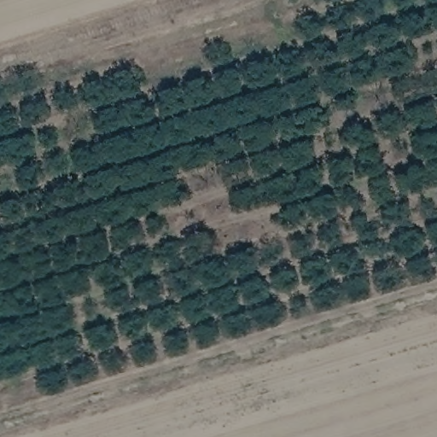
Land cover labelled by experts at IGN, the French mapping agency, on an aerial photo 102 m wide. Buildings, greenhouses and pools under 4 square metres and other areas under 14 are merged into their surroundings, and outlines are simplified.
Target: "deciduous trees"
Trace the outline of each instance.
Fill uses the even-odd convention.
[[[309,15],[295,15],[295,29],[302,34],[304,41],[324,36],[323,27],[333,27],[338,31],[357,26],[355,17],[362,17],[365,24],[369,20],[386,15],[386,3],[393,2],[396,10],[415,7],[413,0],[364,0],[358,3],[357,9],[353,12],[338,9],[335,14],[328,15],[323,26],[311,22]]]
[[[379,292],[391,292],[394,288],[401,287],[405,280],[399,266],[387,266],[386,270],[374,273],[374,282]]]
[[[435,271],[428,263],[427,256],[415,263],[406,261],[406,268],[411,271],[413,277],[423,277],[428,282],[435,277]]]
[[[178,171],[181,169],[189,171],[205,166],[208,160],[215,162],[222,183],[229,189],[232,184],[241,183],[246,179],[254,181],[266,178],[271,172],[285,169],[282,178],[275,179],[273,183],[261,184],[253,189],[242,189],[237,193],[229,191],[229,203],[232,212],[278,205],[280,210],[277,212],[275,224],[282,225],[283,229],[288,225],[299,224],[304,215],[323,215],[326,222],[319,225],[318,230],[312,230],[312,225],[307,224],[300,241],[290,241],[290,251],[299,259],[314,251],[312,241],[326,241],[328,248],[343,244],[338,229],[336,208],[352,207],[352,212],[362,210],[364,198],[352,184],[353,179],[362,176],[369,179],[367,184],[370,196],[376,201],[381,213],[374,220],[367,220],[364,213],[362,217],[352,220],[352,227],[357,232],[358,239],[376,239],[377,230],[387,229],[391,222],[396,222],[396,225],[410,225],[411,213],[422,213],[423,220],[437,217],[437,208],[432,198],[427,196],[418,198],[417,207],[408,205],[406,196],[394,200],[393,189],[389,188],[387,179],[389,171],[386,169],[384,154],[379,150],[374,133],[364,130],[362,126],[353,125],[345,135],[340,135],[341,142],[357,145],[357,154],[348,155],[348,159],[324,162],[323,166],[316,169],[311,164],[311,160],[316,157],[314,142],[295,143],[282,152],[256,155],[234,164],[229,162],[229,159],[239,152],[246,154],[253,150],[265,149],[271,142],[275,142],[275,133],[282,133],[282,140],[302,135],[314,137],[319,126],[329,125],[331,114],[355,104],[360,85],[370,84],[377,79],[389,79],[393,99],[389,102],[399,109],[401,114],[382,116],[377,125],[382,131],[382,137],[393,143],[399,138],[399,131],[405,130],[408,123],[413,123],[415,128],[430,128],[437,123],[437,70],[423,70],[420,75],[413,75],[417,48],[411,41],[401,41],[399,34],[418,38],[430,31],[437,31],[437,9],[425,10],[422,17],[410,15],[403,20],[401,27],[382,24],[360,36],[345,34],[343,41],[333,39],[333,43],[338,46],[336,51],[328,50],[328,43],[331,41],[328,38],[323,44],[318,44],[314,50],[307,51],[304,55],[299,51],[290,51],[273,56],[270,63],[254,61],[241,72],[227,70],[222,73],[220,79],[196,79],[191,80],[184,89],[174,87],[162,90],[160,101],[154,108],[143,106],[143,102],[138,101],[128,104],[121,111],[108,109],[99,116],[99,119],[92,121],[94,135],[102,135],[123,126],[147,123],[155,116],[169,116],[183,109],[186,109],[186,116],[183,119],[160,123],[159,130],[152,126],[147,130],[135,131],[130,138],[116,137],[113,140],[106,140],[92,147],[90,152],[82,149],[61,149],[60,155],[55,159],[46,159],[44,155],[39,157],[36,166],[27,167],[24,162],[29,155],[36,155],[34,142],[41,142],[44,152],[50,152],[58,147],[55,126],[31,130],[32,125],[38,123],[39,119],[50,116],[46,99],[39,104],[29,104],[26,108],[14,106],[15,113],[0,114],[0,166],[10,164],[15,167],[19,191],[36,188],[39,176],[48,172],[53,178],[60,178],[67,172],[77,174],[75,183],[65,184],[63,188],[51,191],[48,200],[41,207],[38,207],[41,193],[34,193],[31,196],[24,196],[22,200],[5,201],[0,213],[0,225],[24,222],[27,217],[43,217],[55,208],[72,207],[75,203],[94,200],[99,196],[113,193],[116,188],[137,188],[149,183],[155,183],[157,186],[145,193],[121,196],[118,200],[102,203],[97,207],[68,213],[67,217],[53,218],[41,225],[29,224],[26,229],[14,230],[0,236],[0,379],[19,376],[29,367],[34,367],[38,372],[39,369],[61,364],[60,372],[39,377],[36,381],[36,386],[44,394],[56,394],[61,393],[65,387],[80,386],[97,379],[97,369],[92,362],[80,364],[72,370],[68,369],[67,365],[73,358],[82,357],[85,350],[77,345],[73,304],[67,304],[67,300],[89,290],[89,277],[96,278],[96,282],[104,290],[102,300],[90,297],[84,300],[85,321],[94,321],[99,316],[96,307],[108,306],[118,314],[137,311],[140,302],[149,307],[150,304],[160,302],[160,292],[169,290],[178,292],[179,297],[183,297],[198,288],[208,290],[224,285],[229,280],[237,282],[237,278],[259,271],[261,266],[268,266],[271,270],[271,266],[285,259],[282,254],[282,242],[278,237],[271,237],[259,239],[263,248],[254,248],[253,256],[246,256],[244,253],[232,254],[230,261],[225,261],[222,265],[207,263],[196,266],[196,259],[217,254],[217,234],[208,237],[203,232],[196,232],[183,244],[169,242],[160,249],[159,258],[140,258],[138,254],[126,256],[119,268],[108,265],[106,237],[102,239],[101,236],[94,236],[84,241],[77,237],[73,246],[60,251],[58,241],[65,241],[68,236],[89,232],[96,229],[97,225],[102,229],[106,225],[113,227],[128,218],[138,218],[140,222],[142,215],[147,218],[149,234],[155,234],[167,222],[164,215],[157,213],[160,208],[176,207],[181,201],[188,200],[183,191],[179,191],[179,186],[184,183],[183,179],[178,179]],[[241,97],[200,113],[193,113],[191,109],[200,104],[207,104],[215,97],[236,94],[242,87],[261,87],[271,84],[273,80],[294,77],[304,70],[309,73],[306,80],[282,89],[268,90],[256,99]],[[326,104],[319,104],[318,109],[311,109],[292,118],[280,119],[273,125],[253,126],[246,133],[237,133],[237,140],[230,140],[229,137],[218,138],[213,145],[184,147],[162,155],[159,159],[150,160],[149,164],[133,164],[119,171],[104,171],[92,178],[82,178],[85,171],[106,162],[121,162],[131,157],[152,154],[167,145],[191,142],[196,137],[210,137],[217,131],[248,123],[258,116],[271,116],[282,113],[285,109],[318,102],[319,94],[328,94],[333,99]],[[128,297],[128,288],[123,280],[126,277],[135,280],[140,275],[152,273],[155,259],[159,263],[169,261],[169,268],[157,273],[157,282],[147,282],[135,287],[133,297]],[[50,282],[41,283],[38,287],[20,288],[19,283],[22,280],[44,277],[50,271],[68,270],[73,265],[84,265],[84,271],[80,273],[56,277]]]
[[[138,225],[137,229],[111,229],[114,248],[125,251],[131,246],[131,237],[140,236],[142,232]]]
[[[312,304],[319,312],[369,297],[364,259],[358,258],[357,253],[341,253],[329,259],[319,258],[318,261],[311,261],[306,265],[300,263],[302,280],[311,288]]]
[[[210,50],[203,48],[203,55],[212,63],[213,68],[236,60],[230,50],[229,41],[224,39],[222,44],[212,46]]]
[[[430,239],[434,242],[434,248],[437,248],[437,224],[422,225],[423,234],[413,230],[401,234],[398,239],[389,237],[387,241],[379,241],[382,251],[394,251],[406,259],[420,253],[422,249],[427,249],[423,246],[423,239]]]
[[[183,306],[179,306],[179,311],[167,307],[152,312],[145,318],[119,321],[119,328],[131,341],[130,348],[135,364],[155,362],[154,340],[147,333],[145,326],[154,326],[162,331],[167,355],[178,357],[186,353],[189,341],[196,340],[198,347],[207,348],[217,341],[217,336],[239,338],[251,331],[271,328],[282,323],[285,318],[285,306],[280,299],[273,306],[244,312],[236,318],[224,319],[222,314],[236,311],[237,307],[241,306],[237,302],[239,295],[244,295],[242,306],[251,306],[254,302],[268,299],[271,295],[270,288],[280,288],[285,292],[287,288],[294,287],[297,285],[297,277],[294,268],[290,271],[280,271],[275,277],[266,278],[265,282],[256,280],[244,283],[242,287],[227,288],[224,292],[210,297],[188,300]],[[189,326],[183,328],[181,335],[167,336],[169,329],[179,326],[178,316],[184,316],[189,324],[205,318],[213,318],[213,323],[210,328],[203,326],[200,329],[193,329]]]
[[[396,176],[398,188],[403,186],[410,193],[417,193],[418,189],[430,186],[437,188],[437,133],[422,137],[410,135],[413,147],[411,155],[422,160],[422,167],[410,167],[405,174]]]
[[[56,108],[60,111],[72,109],[77,104],[89,102],[90,108],[96,109],[102,104],[142,94],[140,85],[145,84],[145,73],[142,77],[137,77],[131,70],[125,70],[114,73],[113,77],[109,77],[101,84],[90,82],[85,90],[79,92],[53,92]]]
[[[90,347],[101,352],[99,358],[109,376],[118,374],[125,369],[126,355],[119,347],[111,348],[111,343],[118,341],[114,335],[114,328],[108,331],[104,326],[99,326],[85,329],[85,336]]]
[[[12,101],[12,96],[17,92],[24,92],[24,96],[34,96],[36,92],[41,92],[44,90],[44,77],[38,67],[34,67],[22,75],[7,75],[5,79],[0,77],[0,106]]]

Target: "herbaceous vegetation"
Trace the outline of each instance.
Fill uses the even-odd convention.
[[[167,336],[181,335],[183,328],[189,326],[193,329],[200,329],[203,326],[210,328],[213,323],[213,318],[205,318],[189,324],[184,316],[178,316],[179,326],[169,329]]]
[[[294,77],[273,80],[271,84],[261,87],[242,87],[236,94],[215,97],[207,104],[200,104],[191,109],[193,113],[200,113],[241,97],[256,99],[268,90],[282,89],[306,80],[309,73],[304,70]]]
[[[92,121],[99,119],[99,116],[108,109],[121,111],[128,104],[138,101],[143,102],[143,106],[154,108],[160,101],[162,90],[174,87],[184,89],[191,80],[196,79],[220,79],[222,73],[227,70],[241,72],[254,61],[270,63],[273,56],[290,51],[299,51],[304,55],[307,51],[314,50],[318,44],[323,44],[328,38],[331,41],[328,43],[328,50],[336,51],[338,46],[333,43],[333,39],[343,41],[345,34],[360,36],[382,24],[401,27],[403,20],[410,15],[422,17],[425,10],[437,9],[437,0],[413,0],[415,7],[396,10],[393,2],[386,3],[386,15],[369,20],[365,24],[362,17],[355,17],[357,26],[338,31],[333,27],[323,27],[324,36],[304,41],[302,34],[295,29],[295,15],[309,15],[311,22],[323,26],[328,15],[335,14],[338,9],[353,12],[357,9],[358,3],[364,0],[135,0],[121,7],[101,10],[80,19],[70,20],[63,26],[46,27],[27,32],[17,38],[0,41],[0,77],[5,79],[7,75],[22,75],[34,67],[38,67],[44,77],[44,90],[41,92],[36,92],[34,96],[24,96],[24,92],[17,92],[12,96],[12,101],[0,106],[0,114],[15,113],[14,106],[26,108],[29,104],[39,104],[46,99],[50,116],[39,119],[38,123],[32,125],[31,130],[55,126],[58,147],[50,152],[44,152],[41,142],[34,142],[36,155],[29,155],[24,162],[27,167],[36,166],[39,157],[44,155],[46,159],[55,159],[60,155],[61,149],[82,149],[90,152],[92,147],[106,140],[113,140],[116,137],[130,138],[135,131],[147,130],[152,126],[159,130],[160,123],[183,119],[186,116],[186,109],[183,109],[169,116],[155,116],[147,123],[123,126],[102,135],[94,135]],[[224,39],[229,41],[230,50],[236,60],[213,68],[212,63],[203,55],[203,48],[210,50],[212,46],[222,44]],[[114,73],[125,70],[131,70],[137,77],[142,77],[145,73],[145,84],[140,85],[142,94],[102,104],[96,109],[90,108],[89,102],[77,104],[72,109],[60,111],[56,108],[53,92],[79,92],[85,90],[90,82],[101,84],[109,77],[113,77]]]
[[[31,196],[34,193],[41,193],[38,207],[41,207],[48,200],[51,191],[63,188],[65,184],[75,183],[77,174],[67,172],[60,178],[53,178],[48,172],[39,176],[36,188],[19,191],[15,167],[10,164],[0,166],[0,213],[5,201],[22,200],[24,196]]]
[[[80,273],[84,271],[84,265],[73,265],[68,270],[50,271],[44,277],[22,280],[19,283],[20,288],[38,287],[41,283],[50,282],[56,277]]]
[[[411,41],[417,48],[413,75],[420,75],[423,70],[437,70],[437,31],[430,31],[418,38],[399,34],[401,41]]]
[[[230,140],[237,140],[237,133],[246,133],[253,126],[273,125],[280,119],[292,118],[311,109],[318,109],[319,104],[326,104],[333,99],[328,94],[319,94],[318,102],[285,109],[282,113],[271,116],[258,116],[248,123],[217,131],[210,137],[196,137],[191,142],[167,145],[152,154],[131,157],[121,162],[106,162],[85,171],[82,178],[92,178],[104,171],[119,171],[133,164],[149,164],[150,160],[159,159],[162,155],[184,147],[213,145],[218,138],[229,137]]]
[[[377,125],[382,116],[401,114],[399,109],[389,102],[393,99],[389,79],[377,79],[370,84],[360,85],[355,104],[331,114],[329,125],[319,126],[314,137],[302,135],[282,140],[282,133],[275,133],[275,142],[271,142],[265,149],[253,150],[246,154],[239,152],[229,159],[229,162],[234,164],[256,155],[282,152],[295,143],[314,142],[316,157],[311,160],[311,164],[316,169],[323,166],[324,162],[348,159],[348,155],[357,154],[357,145],[341,142],[340,135],[345,135],[353,125],[362,126],[364,130],[374,133],[379,150],[384,154],[386,169],[389,171],[387,179],[389,188],[393,189],[394,200],[406,196],[408,205],[417,207],[418,198],[427,196],[432,198],[437,208],[437,188],[430,186],[418,189],[417,193],[410,193],[403,186],[398,188],[396,176],[405,174],[410,167],[422,167],[422,160],[411,155],[413,147],[410,135],[422,137],[437,133],[437,123],[430,128],[415,128],[413,123],[408,123],[405,130],[399,131],[399,138],[393,143],[382,137],[382,131]]]
[[[123,280],[128,288],[128,297],[133,297],[135,287],[147,282],[157,282],[157,273],[169,268],[169,261],[159,263],[155,259],[152,273],[140,275],[135,280],[126,277]]]
[[[145,193],[157,186],[155,183],[149,183],[137,188],[116,188],[113,193],[99,196],[94,200],[75,203],[72,207],[55,208],[43,217],[27,217],[24,222],[0,225],[0,236],[14,230],[26,229],[29,224],[41,225],[53,218],[67,217],[68,213],[97,207],[102,203],[118,200],[121,196]]]
[[[352,212],[352,207],[336,208],[338,229],[343,244],[328,248],[326,241],[312,241],[314,251],[299,259],[290,251],[290,241],[300,241],[307,224],[312,225],[312,230],[318,230],[319,225],[326,222],[323,215],[304,215],[299,224],[288,225],[283,229],[282,225],[275,224],[277,212],[280,210],[278,205],[232,212],[229,203],[229,191],[237,193],[242,189],[253,189],[261,184],[273,183],[275,179],[282,178],[285,169],[271,172],[266,178],[254,181],[246,179],[241,183],[232,184],[229,189],[222,183],[215,162],[208,160],[205,166],[189,171],[181,169],[178,171],[178,179],[183,179],[184,183],[179,186],[179,191],[183,191],[188,200],[181,201],[176,207],[160,208],[157,213],[164,215],[167,222],[155,234],[149,234],[147,218],[142,215],[140,222],[138,218],[128,218],[113,227],[106,225],[102,229],[97,225],[96,229],[89,232],[68,236],[65,241],[58,241],[60,251],[73,246],[77,237],[84,241],[94,236],[101,236],[102,239],[106,237],[108,265],[119,268],[126,256],[138,254],[140,258],[159,258],[160,249],[169,242],[183,244],[196,232],[203,232],[208,237],[217,234],[217,254],[196,259],[196,266],[207,263],[222,265],[225,261],[230,261],[232,254],[244,253],[246,256],[253,256],[254,248],[263,248],[259,239],[271,237],[278,237],[282,242],[282,254],[285,259],[271,266],[271,270],[268,266],[261,266],[259,271],[237,278],[237,282],[229,280],[224,285],[208,290],[198,288],[183,297],[179,297],[178,292],[169,290],[160,292],[160,302],[150,304],[149,307],[140,302],[137,311],[118,314],[108,306],[96,307],[99,316],[94,321],[85,321],[84,300],[90,297],[102,300],[104,290],[96,282],[96,278],[89,277],[89,290],[67,300],[67,304],[73,304],[77,345],[85,350],[82,357],[73,358],[67,365],[68,369],[72,370],[80,364],[92,362],[97,369],[97,379],[80,386],[65,387],[61,393],[56,394],[44,394],[36,386],[36,381],[39,377],[60,372],[61,364],[39,369],[38,372],[34,367],[29,367],[19,376],[0,379],[0,437],[15,437],[31,434],[36,428],[46,430],[50,425],[61,425],[70,420],[77,420],[80,415],[94,417],[114,408],[133,405],[142,399],[150,398],[152,394],[162,396],[169,391],[191,386],[195,382],[208,381],[236,370],[248,370],[253,365],[280,362],[283,358],[292,357],[297,353],[326,348],[365,333],[376,333],[382,328],[396,328],[401,324],[410,323],[413,319],[422,318],[425,312],[437,314],[437,248],[434,248],[434,242],[430,239],[423,239],[423,246],[427,249],[422,249],[420,253],[406,259],[394,251],[382,251],[379,241],[387,241],[389,237],[398,239],[401,234],[413,230],[423,234],[422,225],[437,224],[437,217],[423,220],[422,213],[411,213],[410,225],[396,225],[396,222],[391,222],[387,229],[377,230],[376,239],[358,239],[357,232],[352,227],[352,220],[362,217],[364,213],[367,220],[374,220],[381,213],[376,201],[370,196],[367,184],[369,179],[362,176],[353,179],[352,184],[364,198],[362,210]],[[111,229],[137,229],[138,225],[142,232],[140,236],[131,237],[131,246],[125,251],[114,248]],[[318,261],[319,258],[329,259],[341,253],[357,253],[358,258],[364,259],[369,297],[319,312],[312,304],[311,288],[302,280],[300,263],[306,265],[311,261]],[[406,268],[406,261],[415,263],[427,256],[428,263],[435,271],[435,277],[428,282],[423,277],[413,277],[411,271]],[[401,287],[394,288],[391,292],[379,292],[374,282],[374,273],[386,270],[387,266],[399,266],[405,280]],[[273,306],[280,299],[285,306],[285,318],[282,323],[271,328],[251,331],[239,338],[217,336],[217,341],[207,348],[198,347],[196,340],[189,341],[186,353],[178,357],[167,355],[162,331],[154,326],[145,326],[147,333],[154,340],[155,362],[135,364],[130,348],[131,341],[119,328],[119,321],[145,318],[152,312],[167,307],[179,311],[179,306],[183,306],[188,300],[210,297],[224,292],[227,288],[242,287],[244,283],[256,280],[265,282],[266,278],[275,277],[280,271],[290,271],[294,268],[297,277],[297,285],[294,287],[287,288],[285,292],[280,288],[270,288],[271,295],[268,299],[254,302],[251,306],[242,306],[244,295],[239,295],[237,302],[241,306],[237,307],[236,311],[222,314],[224,319],[236,318],[244,312]],[[109,376],[99,358],[101,352],[90,347],[85,336],[85,329],[99,326],[104,326],[108,331],[114,328],[114,335],[118,341],[111,343],[111,348],[119,347],[126,355],[125,369],[118,374]]]

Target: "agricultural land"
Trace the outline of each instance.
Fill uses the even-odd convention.
[[[70,20],[80,19],[101,10],[121,7],[135,0],[0,0],[0,41],[17,38],[27,32],[46,27],[63,26]]]
[[[114,408],[94,417],[80,415],[77,420],[70,420],[61,425],[50,425],[46,430],[36,428],[31,434],[15,437],[437,437],[437,314],[425,312],[422,318],[413,319],[410,323],[401,324],[396,328],[382,328],[376,333],[365,333],[326,348],[297,353],[292,357],[283,358],[280,362],[253,365],[248,370],[236,370],[208,381],[195,382],[191,386],[169,391],[162,396],[152,394],[150,398],[142,399],[133,405]]]

